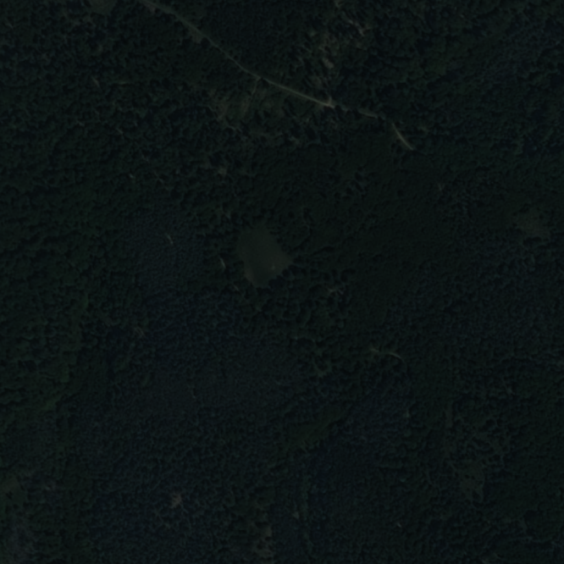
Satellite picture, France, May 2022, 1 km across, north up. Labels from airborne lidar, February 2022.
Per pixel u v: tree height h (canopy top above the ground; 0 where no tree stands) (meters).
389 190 14
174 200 24
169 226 21
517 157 26
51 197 29
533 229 0
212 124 32
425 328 23
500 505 22
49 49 32
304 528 27
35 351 33
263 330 28
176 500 22
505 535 27
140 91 8
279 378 29
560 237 16
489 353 22
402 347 23
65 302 36
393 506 24
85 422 23
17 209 30
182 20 0
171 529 19
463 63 26
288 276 16
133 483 25
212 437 31
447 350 24
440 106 33
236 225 21
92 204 22
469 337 28
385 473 26
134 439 31
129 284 31
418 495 26
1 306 25
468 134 26
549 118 22
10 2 12
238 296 19
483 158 26
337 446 24
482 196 18
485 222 19
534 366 22
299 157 13
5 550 24
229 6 17
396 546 22
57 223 29
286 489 27
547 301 21
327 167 12
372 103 36
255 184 12
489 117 31
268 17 14
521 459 24
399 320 19
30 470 23
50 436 20
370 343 20
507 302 20
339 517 24
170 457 27
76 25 0
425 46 35
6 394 27
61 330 29
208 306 26
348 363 22
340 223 13
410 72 34
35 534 26
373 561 26
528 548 24
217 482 25
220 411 26
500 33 37
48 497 29
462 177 23
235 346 26
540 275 26
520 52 33
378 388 23
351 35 38
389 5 34
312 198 11
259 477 19
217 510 16
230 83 14
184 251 18
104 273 27
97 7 0
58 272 33
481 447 26
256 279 0
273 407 23
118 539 34
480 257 27
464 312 22
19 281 27
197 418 25
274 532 25
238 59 7
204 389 19
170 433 32
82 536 28
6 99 28
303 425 25
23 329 23
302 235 14
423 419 24
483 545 19
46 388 38
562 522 18
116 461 28
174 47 14
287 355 18
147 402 24
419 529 25
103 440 14
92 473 21
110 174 26
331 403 28
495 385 6
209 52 12
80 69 32
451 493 7
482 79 27
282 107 0
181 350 31
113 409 30
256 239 0
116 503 29
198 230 20
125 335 21
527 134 9
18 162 28
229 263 16
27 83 33
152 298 28
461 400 21
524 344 21
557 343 17
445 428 21
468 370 8
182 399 22
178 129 32
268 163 13
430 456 13
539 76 33
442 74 0
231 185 14
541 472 25
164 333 32
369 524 22
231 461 22
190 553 30
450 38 31
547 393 23
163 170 32
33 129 31
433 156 23
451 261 24
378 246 11
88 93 32
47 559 25
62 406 21
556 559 23
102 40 33
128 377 27
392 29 38
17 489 0
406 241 17
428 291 31
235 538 9
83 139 30
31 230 19
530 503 24
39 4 21
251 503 10
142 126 34
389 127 15
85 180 38
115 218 31
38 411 16
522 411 27
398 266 16
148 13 18
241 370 25
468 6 34
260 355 20
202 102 31
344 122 31
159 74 15
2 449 18
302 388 16
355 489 29
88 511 24
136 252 25
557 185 23
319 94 12
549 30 33
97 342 26
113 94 31
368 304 20
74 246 35
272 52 10
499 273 25
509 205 14
